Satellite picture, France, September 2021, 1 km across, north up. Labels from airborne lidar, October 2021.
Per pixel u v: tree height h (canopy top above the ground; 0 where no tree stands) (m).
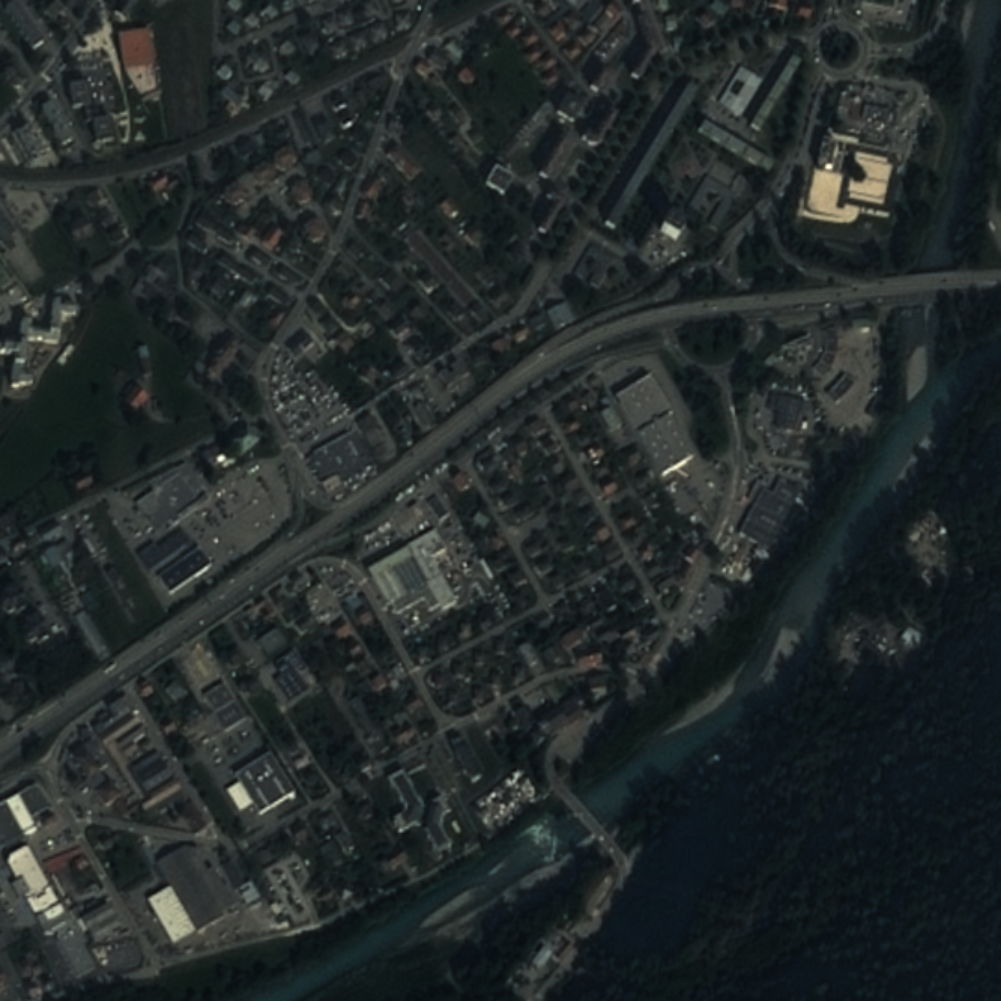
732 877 17
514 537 0
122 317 0
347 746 7
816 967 22
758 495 0
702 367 0
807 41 0
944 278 0
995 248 0
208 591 10
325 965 0
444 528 0
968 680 23
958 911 26
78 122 0
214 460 0
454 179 0
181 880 0
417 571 0
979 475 19
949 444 32
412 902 9
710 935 7
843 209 0
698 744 0
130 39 0
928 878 17
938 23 0
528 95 0
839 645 0
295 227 7
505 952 21
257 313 7
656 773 0
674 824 15
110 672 0
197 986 0
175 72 0
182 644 0
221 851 7
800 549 31
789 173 0
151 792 0
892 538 26
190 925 0
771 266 0
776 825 14
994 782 16
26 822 0
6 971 0
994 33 0
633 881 0
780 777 13
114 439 0
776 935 12
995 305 19
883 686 26
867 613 22
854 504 0
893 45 0
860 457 27
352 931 17
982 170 17
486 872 0
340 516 0
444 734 0
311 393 0
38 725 0
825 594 0
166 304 12
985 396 32
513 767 10
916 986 25
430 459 0
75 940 0
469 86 6
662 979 14
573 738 0
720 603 0
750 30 14
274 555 0
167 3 0
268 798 0
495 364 11
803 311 0
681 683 20
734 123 0
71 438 0
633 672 0
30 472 0
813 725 22
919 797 29
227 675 0
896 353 17
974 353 0
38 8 7
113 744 0
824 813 16
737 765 20
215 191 9
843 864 19
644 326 0
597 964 12
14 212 0
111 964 0
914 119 0
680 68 11
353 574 0
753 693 0
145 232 7
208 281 11
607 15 0
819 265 17
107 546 0
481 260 6
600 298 6
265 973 16
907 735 23
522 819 9
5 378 0
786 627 0
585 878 17
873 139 0
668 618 0
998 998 30
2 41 0
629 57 0
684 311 0
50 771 0
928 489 22
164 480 0
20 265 0
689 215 12
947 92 16
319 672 8
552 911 24
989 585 11
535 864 0
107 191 0
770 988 20
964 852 14
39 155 0
